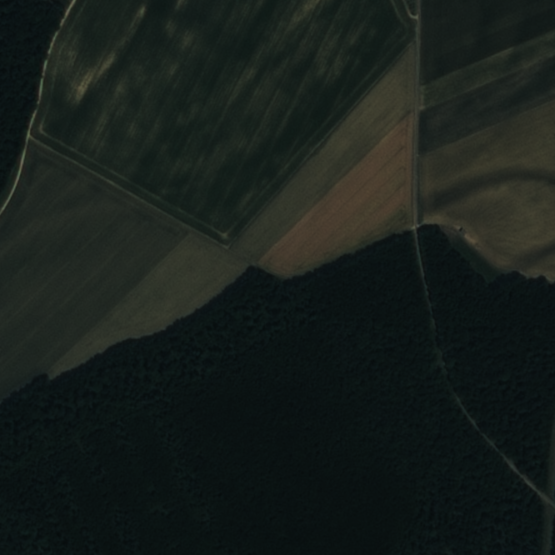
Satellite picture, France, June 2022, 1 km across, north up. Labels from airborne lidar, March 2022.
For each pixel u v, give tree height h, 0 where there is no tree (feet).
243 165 0
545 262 0
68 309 0
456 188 0
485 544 62
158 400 49
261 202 0
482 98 0
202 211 0
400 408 57
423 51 0
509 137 0
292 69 0
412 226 0
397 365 64
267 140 0
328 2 0
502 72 0
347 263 57
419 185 0
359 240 0
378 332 67
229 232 0
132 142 0
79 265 0
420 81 0
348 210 0
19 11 67
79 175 0
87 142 0
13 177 0
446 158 0
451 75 0
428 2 0
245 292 62
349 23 0
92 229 0
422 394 67
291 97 0
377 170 0
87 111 0
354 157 0
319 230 0
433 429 56
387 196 0
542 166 0
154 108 0
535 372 82
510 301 69
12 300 0
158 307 0
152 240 0
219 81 0
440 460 57
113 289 0
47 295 0
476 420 39
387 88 0
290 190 0
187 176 0
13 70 64
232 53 0
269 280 54
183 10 0
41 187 0
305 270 0
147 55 0
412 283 56
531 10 0
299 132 0
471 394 69
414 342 80
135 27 0
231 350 64
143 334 0
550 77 0
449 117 0
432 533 71
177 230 0
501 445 76
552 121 0
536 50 0
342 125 0
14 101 54
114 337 0
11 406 61
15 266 0
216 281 0
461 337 73
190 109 0
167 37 0
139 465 28
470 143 0
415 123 0
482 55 0
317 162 0
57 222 0
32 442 62
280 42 0
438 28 0
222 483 47
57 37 0
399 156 0
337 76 0
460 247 0
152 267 0
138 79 0
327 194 0
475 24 0
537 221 0
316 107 0
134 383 67
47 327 0
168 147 0
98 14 0
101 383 56
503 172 0
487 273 0
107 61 0
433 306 49
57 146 0
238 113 0
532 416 65
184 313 0
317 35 0
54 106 0
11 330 0
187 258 0
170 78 0
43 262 0
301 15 0
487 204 0
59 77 0
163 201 0
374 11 0
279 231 0
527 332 76
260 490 35
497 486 63
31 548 68
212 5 0
